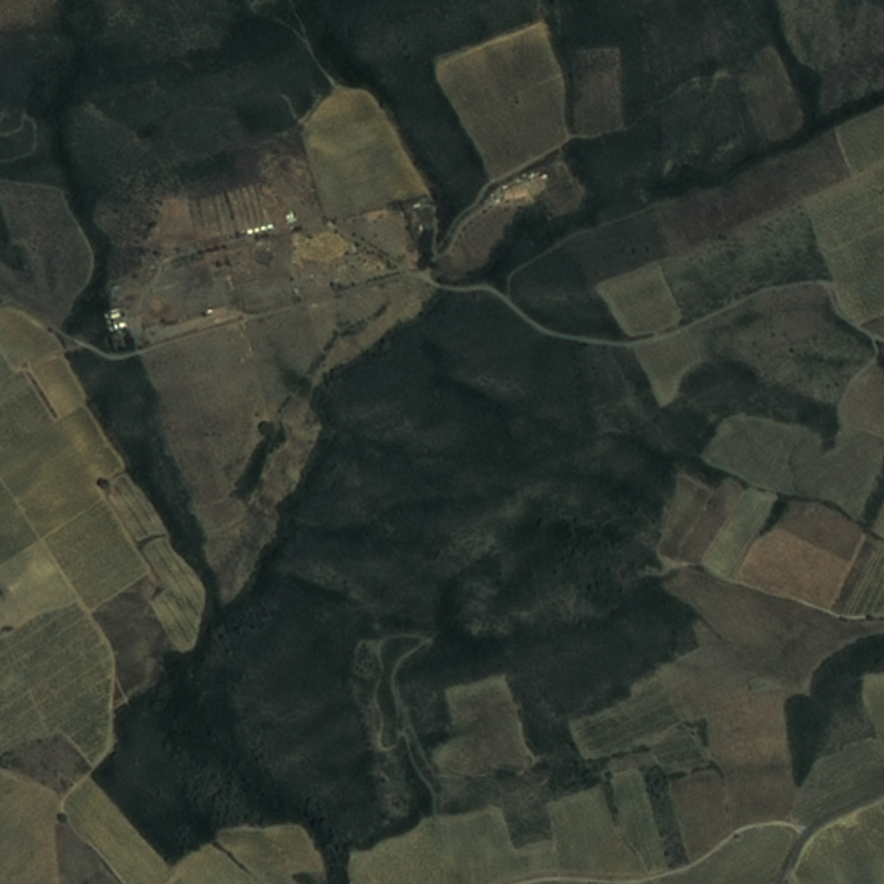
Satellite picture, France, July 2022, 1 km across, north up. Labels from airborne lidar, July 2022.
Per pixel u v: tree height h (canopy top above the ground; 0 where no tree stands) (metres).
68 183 6
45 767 0
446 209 11
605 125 0
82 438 0
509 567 0
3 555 0
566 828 0
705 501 0
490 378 0
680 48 0
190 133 0
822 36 0
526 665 0
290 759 0
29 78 6
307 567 0
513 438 6
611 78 0
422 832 0
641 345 0
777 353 0
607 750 0
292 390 0
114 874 0
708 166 0
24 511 0
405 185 0
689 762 0
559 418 0
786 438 0
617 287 0
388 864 0
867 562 0
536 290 0
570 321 0
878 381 0
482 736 0
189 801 10
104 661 0
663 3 0
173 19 0
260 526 0
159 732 6
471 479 0
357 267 0
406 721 0
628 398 0
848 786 0
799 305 0
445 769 0
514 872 0
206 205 0
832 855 0
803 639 0
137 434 0
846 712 0
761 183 0
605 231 0
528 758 0
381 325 0
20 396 0
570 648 0
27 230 0
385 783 8
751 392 0
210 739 11
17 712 0
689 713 0
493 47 0
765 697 0
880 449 0
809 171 0
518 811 0
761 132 0
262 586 8
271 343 0
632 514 7
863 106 6
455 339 0
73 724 0
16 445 0
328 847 18
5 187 0
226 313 0
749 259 0
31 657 0
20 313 0
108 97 0
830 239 0
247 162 0
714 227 0
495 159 0
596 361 0
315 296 0
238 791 15
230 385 0
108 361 0
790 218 0
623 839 0
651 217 0
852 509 0
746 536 0
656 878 0
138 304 0
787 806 0
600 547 9
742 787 0
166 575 0
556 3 7
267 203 0
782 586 0
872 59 0
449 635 6
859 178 0
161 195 0
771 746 0
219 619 5
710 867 0
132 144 0
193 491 0
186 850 9
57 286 0
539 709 0
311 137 0
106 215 0
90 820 0
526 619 0
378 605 0
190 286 0
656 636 0
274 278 0
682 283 0
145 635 0
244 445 0
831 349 0
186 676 6
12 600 0
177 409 0
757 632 0
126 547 0
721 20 0
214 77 0
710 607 0
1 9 0
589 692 0
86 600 0
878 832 0
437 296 8
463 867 0
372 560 0
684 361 0
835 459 0
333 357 0
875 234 0
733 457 0
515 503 0
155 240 0
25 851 0
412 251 0
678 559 0
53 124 6
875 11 0
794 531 0
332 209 0
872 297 0
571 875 0
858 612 0
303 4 6
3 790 0
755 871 0
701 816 0
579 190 0
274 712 0
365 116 0
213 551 0
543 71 0
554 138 0
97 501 0
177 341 0
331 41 6
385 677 0
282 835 0
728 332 0
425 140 0
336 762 0
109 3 0
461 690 0
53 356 0
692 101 0
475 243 0
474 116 0
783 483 0
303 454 0
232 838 0
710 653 0
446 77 0
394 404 0
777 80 0
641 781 0
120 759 11
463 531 0
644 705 0
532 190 0
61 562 0
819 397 0
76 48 5
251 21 6
